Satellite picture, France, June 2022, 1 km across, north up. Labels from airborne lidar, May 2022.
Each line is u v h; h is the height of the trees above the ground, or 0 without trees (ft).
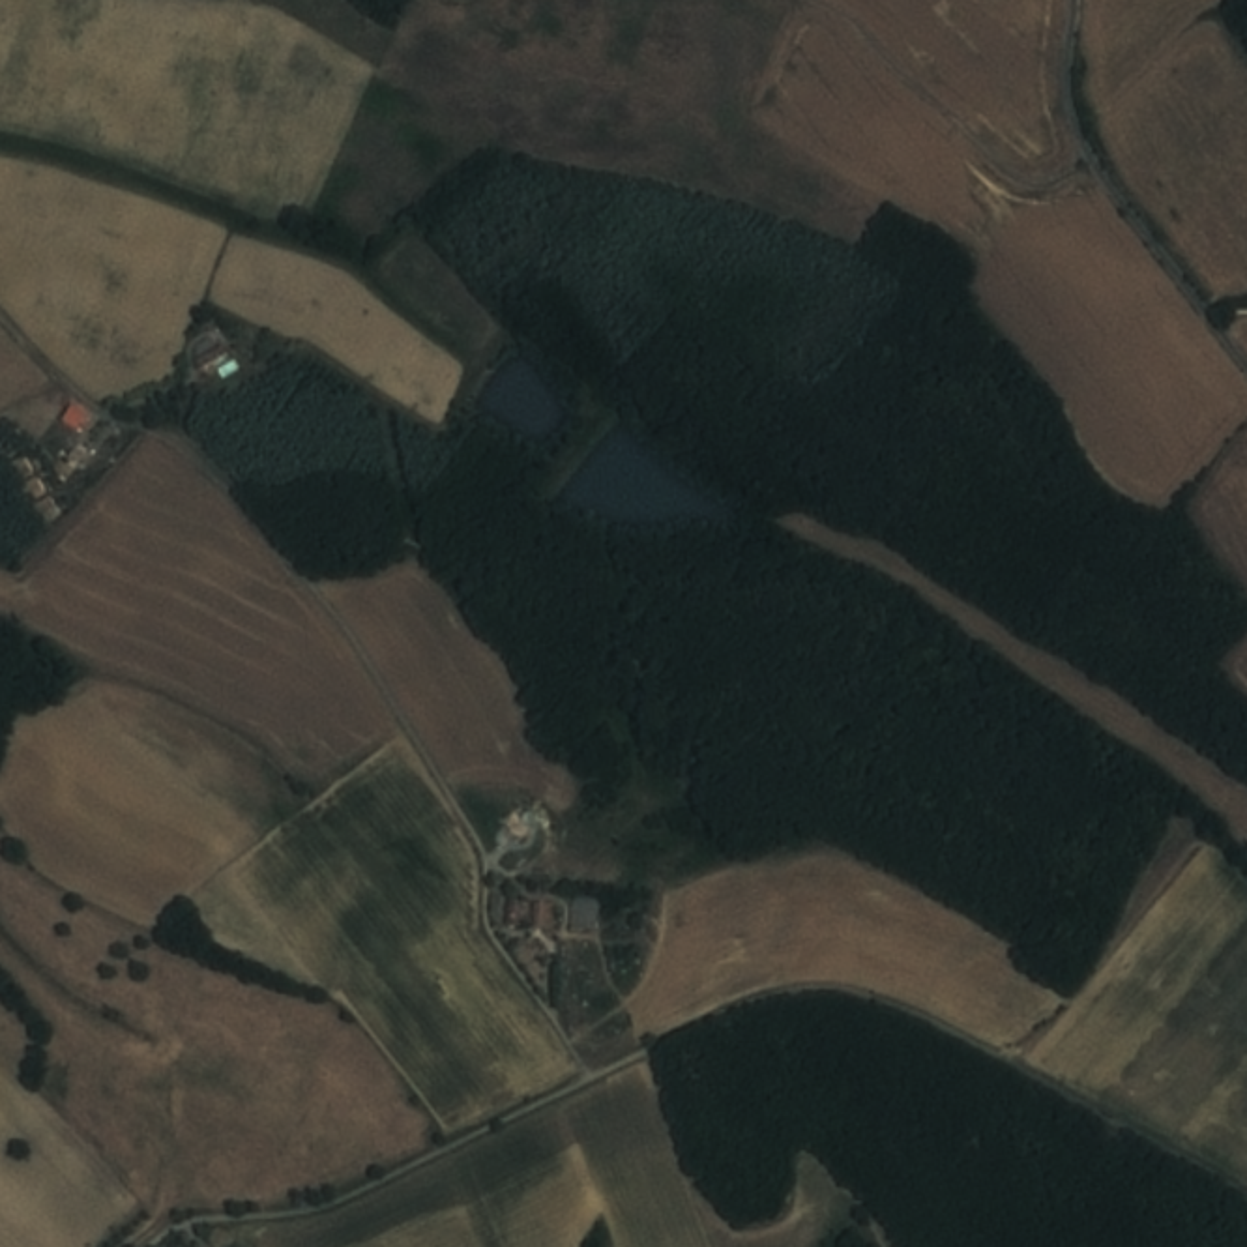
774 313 26
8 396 0
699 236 34
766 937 0
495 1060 0
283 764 0
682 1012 0
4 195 0
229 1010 0
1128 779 80
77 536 0
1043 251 0
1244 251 0
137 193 0
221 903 0
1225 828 50
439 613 0
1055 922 67
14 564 29
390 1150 0
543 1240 0
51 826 0
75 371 0
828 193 0
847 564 57
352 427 53
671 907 0
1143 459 0
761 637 55
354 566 56
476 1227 0
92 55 0
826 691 64
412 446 55
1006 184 0
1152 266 0
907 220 42
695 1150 54
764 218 47
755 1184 54
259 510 47
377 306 0
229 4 0
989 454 44
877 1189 44
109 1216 0
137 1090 0
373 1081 0
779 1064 79
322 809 0
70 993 0
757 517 51
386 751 0
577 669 61
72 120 0
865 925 0
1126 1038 0
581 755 54
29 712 47
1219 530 0
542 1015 0
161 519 0
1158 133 0
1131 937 0
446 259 34
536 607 42
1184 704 42
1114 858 65
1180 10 0
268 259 0
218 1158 0
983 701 85
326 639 0
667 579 73
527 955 0
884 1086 53
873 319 34
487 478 38
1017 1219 51
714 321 25
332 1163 0
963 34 0
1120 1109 0
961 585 48
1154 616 48
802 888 0
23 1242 0
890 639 86
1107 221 0
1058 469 53
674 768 40
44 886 0
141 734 0
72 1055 0
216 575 0
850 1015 55
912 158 0
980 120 0
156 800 0
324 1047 0
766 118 0
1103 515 56
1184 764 0
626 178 30
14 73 0
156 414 37
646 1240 0
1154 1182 57
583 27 0
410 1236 0
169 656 0
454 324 0
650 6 0
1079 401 0
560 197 37
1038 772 78
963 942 0
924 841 60
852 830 51
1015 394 49
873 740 73
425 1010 0
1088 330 0
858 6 0
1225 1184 47
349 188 0
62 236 0
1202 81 0
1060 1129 39
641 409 68
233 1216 45
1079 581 60
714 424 73
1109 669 47
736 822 54
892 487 73
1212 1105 0
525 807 0
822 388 49
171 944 52
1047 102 0
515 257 24
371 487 48
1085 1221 43
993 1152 50
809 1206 0
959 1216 35
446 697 0
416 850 0
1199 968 0
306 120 0
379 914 0
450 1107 0
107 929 0
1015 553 35
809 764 60
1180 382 0
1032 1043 0
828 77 0
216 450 42
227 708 0
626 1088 0
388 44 0
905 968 0
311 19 0
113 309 0
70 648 0
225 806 0
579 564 87
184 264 0
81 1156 0
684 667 59
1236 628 50
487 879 28
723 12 0
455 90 0
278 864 0
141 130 0
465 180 33
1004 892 47
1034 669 0
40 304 0
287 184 0
